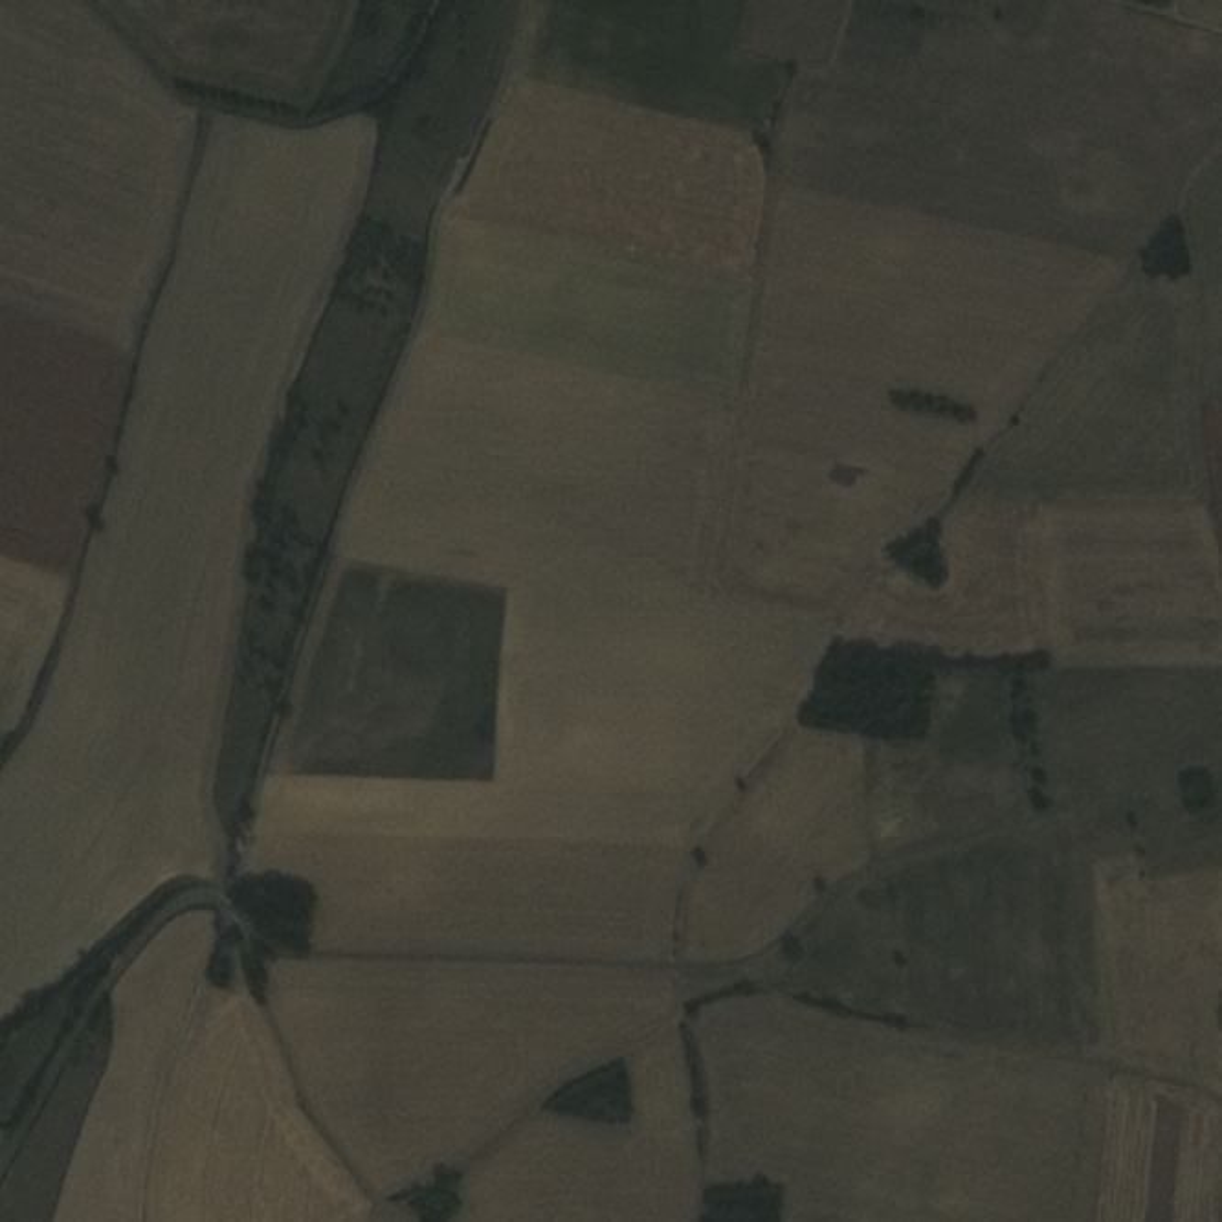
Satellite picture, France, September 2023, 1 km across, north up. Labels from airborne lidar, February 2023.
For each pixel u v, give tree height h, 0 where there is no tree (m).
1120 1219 0
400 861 0
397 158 0
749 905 0
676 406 0
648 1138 0
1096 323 0
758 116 0
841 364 0
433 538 0
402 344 0
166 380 0
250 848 0
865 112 0
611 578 0
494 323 0
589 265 0
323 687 0
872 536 0
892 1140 0
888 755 0
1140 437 0
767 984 0
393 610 0
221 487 0
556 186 0
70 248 0
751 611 0
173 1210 0
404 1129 0
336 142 0
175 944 0
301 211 0
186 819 0
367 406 0
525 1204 0
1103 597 0
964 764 0
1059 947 0
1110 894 0
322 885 0
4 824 0
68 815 0
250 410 0
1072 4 0
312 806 0
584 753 0
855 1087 0
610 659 0
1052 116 0
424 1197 10
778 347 0
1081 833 0
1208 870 0
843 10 0
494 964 0
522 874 0
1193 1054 0
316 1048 0
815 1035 0
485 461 0
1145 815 0
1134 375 0
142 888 0
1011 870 0
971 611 0
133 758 0
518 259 0
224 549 0
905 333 0
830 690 9
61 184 0
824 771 0
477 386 0
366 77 0
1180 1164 0
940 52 0
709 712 0
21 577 0
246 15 0
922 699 11
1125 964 0
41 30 0
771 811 0
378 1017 0
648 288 0
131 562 0
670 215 0
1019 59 0
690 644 0
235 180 0
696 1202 0
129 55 0
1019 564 0
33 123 0
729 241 0
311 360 0
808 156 0
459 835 0
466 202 0
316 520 0
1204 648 0
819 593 0
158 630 0
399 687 0
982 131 0
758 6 0
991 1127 0
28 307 0
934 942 0
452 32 0
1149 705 0
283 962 0
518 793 0
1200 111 0
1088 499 0
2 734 0
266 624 0
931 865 0
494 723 0
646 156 0
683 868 0
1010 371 0
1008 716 0
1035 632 0
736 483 0
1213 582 0
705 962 0
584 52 0
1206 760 0
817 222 0
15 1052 0
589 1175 0
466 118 0
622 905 0
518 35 0
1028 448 0
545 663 0
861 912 0
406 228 0
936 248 0
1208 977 0
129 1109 0
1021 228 0
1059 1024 0
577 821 0
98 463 0
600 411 0
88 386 0
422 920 0
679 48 0
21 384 0
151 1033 0
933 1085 0
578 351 0
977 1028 0
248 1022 0
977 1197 0
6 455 0
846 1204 0
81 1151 0
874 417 0
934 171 0
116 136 0
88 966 11
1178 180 0
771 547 0
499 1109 0
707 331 0
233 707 0
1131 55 0
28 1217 0
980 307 0
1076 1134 0
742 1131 0
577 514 0
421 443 0
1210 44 0
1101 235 0
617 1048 0
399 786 0
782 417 0
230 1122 0
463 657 0
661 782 0
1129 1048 0
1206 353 0
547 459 0
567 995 0
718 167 0
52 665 0
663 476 0
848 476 0
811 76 0
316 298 0
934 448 0
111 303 0
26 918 0
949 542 0
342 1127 0
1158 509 0
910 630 0
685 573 0
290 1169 0
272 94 0
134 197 0
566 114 0
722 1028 0
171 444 0
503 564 0
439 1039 0
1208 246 0
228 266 0
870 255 0
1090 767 0
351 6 0
